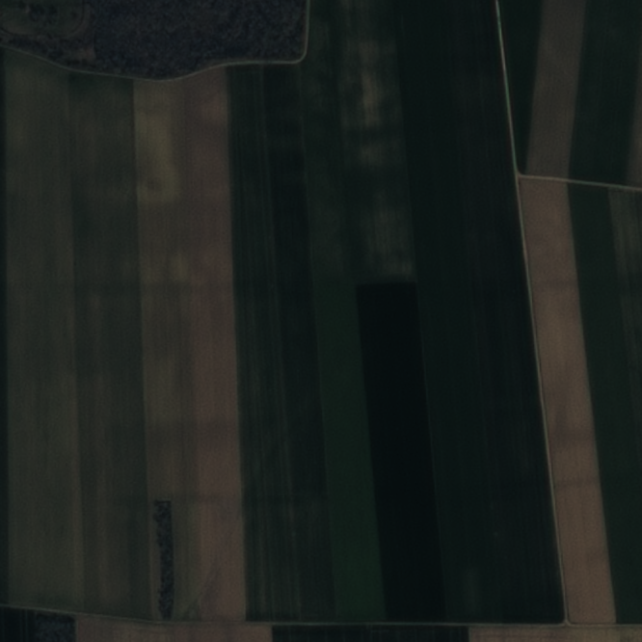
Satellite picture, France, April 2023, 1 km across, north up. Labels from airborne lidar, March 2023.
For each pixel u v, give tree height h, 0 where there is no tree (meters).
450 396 0
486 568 0
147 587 0
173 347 0
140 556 0
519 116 0
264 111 0
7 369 0
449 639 0
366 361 0
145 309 0
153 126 0
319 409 0
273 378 0
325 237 0
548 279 0
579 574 0
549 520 0
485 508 0
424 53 0
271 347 0
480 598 0
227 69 0
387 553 0
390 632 0
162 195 0
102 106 0
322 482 0
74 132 0
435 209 0
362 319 0
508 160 0
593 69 0
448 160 0
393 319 0
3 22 0
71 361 0
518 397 0
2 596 0
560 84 0
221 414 0
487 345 0
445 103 0
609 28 0
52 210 0
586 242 0
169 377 0
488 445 0
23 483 0
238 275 0
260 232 0
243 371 0
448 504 0
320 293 0
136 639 0
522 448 0
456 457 0
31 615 0
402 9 0
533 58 0
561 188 0
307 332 0
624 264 0
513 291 0
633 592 0
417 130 0
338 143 0
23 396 0
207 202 0
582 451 0
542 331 0
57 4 0
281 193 0
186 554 0
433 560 0
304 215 0
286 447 0
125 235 0
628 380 0
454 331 0
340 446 0
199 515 0
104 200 0
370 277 0
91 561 0
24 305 0
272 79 0
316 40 0
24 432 0
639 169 0
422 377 0
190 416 0
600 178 0
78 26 0
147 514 0
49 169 0
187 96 0
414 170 0
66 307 0
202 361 0
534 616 0
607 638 0
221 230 0
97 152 0
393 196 0
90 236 0
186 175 0
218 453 0
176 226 0
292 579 0
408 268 0
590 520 0
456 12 0
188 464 0
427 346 0
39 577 0
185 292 0
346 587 0
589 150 0
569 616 0
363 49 0
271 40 26
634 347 0
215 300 0
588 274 0
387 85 0
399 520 0
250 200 0
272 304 0
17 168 0
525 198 0
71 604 0
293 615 0
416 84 0
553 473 0
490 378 0
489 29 0
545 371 0
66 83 0
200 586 0
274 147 0
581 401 0
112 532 0
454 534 0
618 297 0
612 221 0
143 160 0
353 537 0
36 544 0
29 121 0
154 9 18
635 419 0
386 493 0
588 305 0
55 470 0
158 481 0
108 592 0
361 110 0
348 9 0
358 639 0
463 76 0
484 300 0
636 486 0
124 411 0
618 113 0
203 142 0
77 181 0
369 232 0
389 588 0
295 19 28
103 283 0
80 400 0
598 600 0
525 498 0
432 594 0
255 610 0
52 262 0
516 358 0
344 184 0
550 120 0
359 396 0
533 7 0
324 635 0
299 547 0
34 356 0
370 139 0
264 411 0
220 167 0
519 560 0
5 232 0
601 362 0
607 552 0
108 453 0
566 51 0
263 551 0
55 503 0
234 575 0
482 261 0
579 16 0
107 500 0
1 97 0
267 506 0
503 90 0
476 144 0
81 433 0
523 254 0
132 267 0
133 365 0
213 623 0
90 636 0
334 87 0
